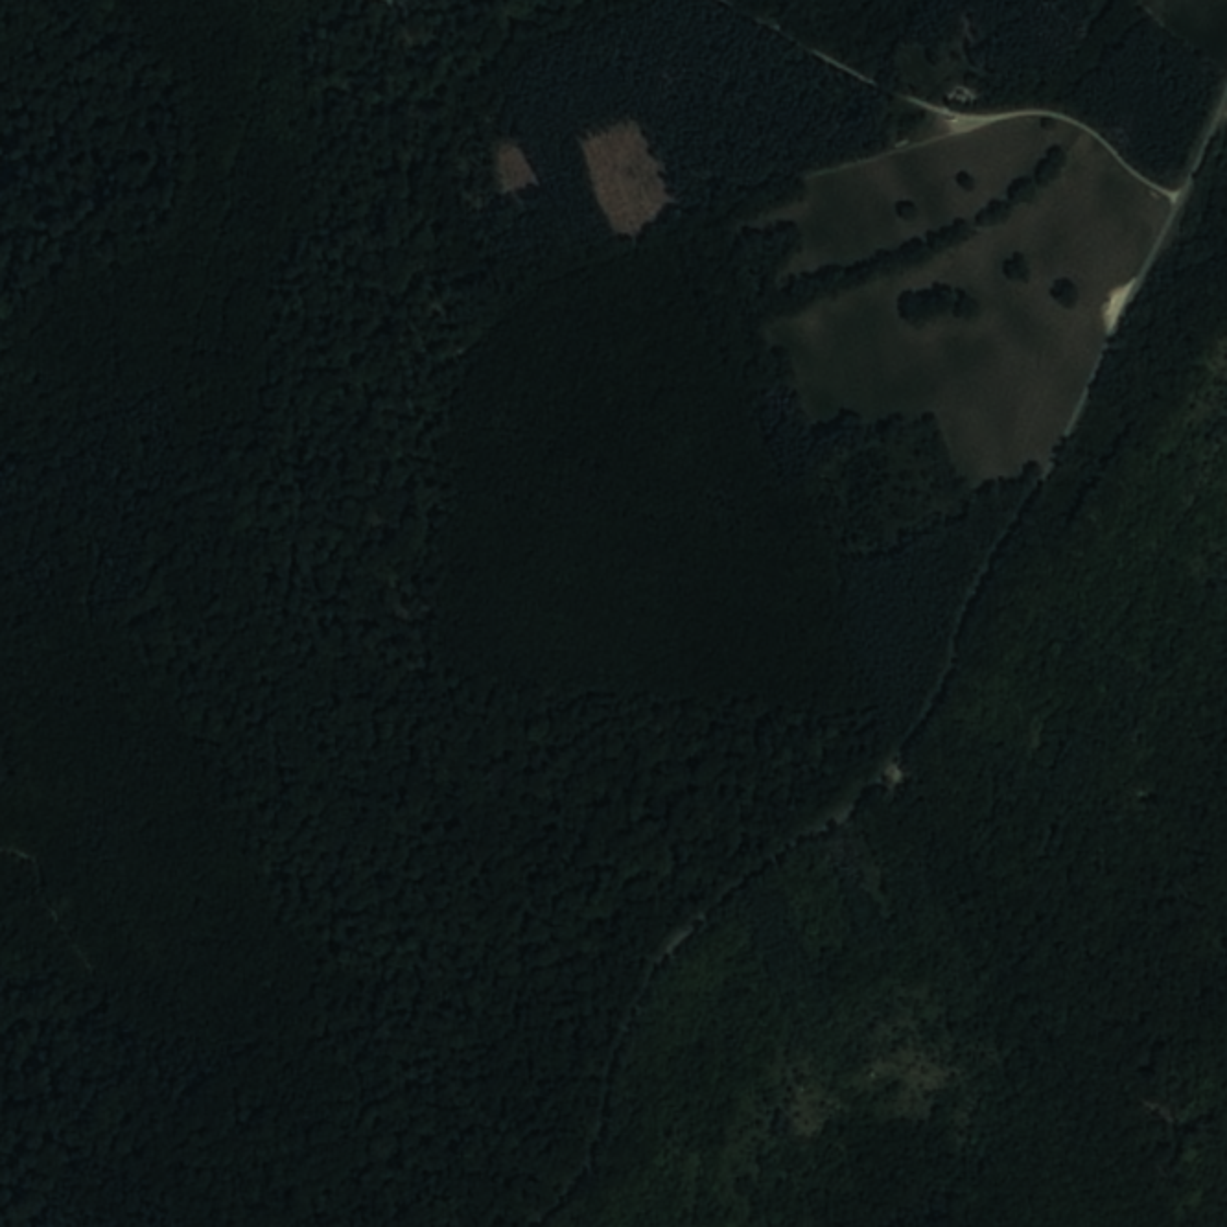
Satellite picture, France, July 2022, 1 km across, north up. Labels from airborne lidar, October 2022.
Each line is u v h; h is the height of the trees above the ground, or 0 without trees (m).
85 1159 28
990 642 17
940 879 23
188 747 21
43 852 12
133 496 19
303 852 22
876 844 14
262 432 19
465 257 11
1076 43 17
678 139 16
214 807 19
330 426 24
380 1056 22
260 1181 19
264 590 25
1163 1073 32
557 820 15
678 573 14
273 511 26
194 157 17
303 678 20
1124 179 0
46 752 13
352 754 25
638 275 15
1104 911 25
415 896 19
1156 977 31
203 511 30
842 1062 7
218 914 20
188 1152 29
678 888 23
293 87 13
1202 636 11
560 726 18
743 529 17
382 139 24
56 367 22
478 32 27
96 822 13
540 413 17
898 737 13
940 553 17
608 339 17
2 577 19
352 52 22
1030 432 0
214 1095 26
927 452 6
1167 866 22
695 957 14
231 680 22
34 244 33
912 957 16
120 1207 26
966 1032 10
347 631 24
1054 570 15
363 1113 22
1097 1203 14
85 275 20
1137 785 16
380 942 27
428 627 18
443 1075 16
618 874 22
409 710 16
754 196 20
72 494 29
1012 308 0
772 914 18
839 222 0
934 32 17
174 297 12
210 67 10
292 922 18
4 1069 22
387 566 28
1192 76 16
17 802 12
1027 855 19
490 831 24
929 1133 9
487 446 14
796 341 0
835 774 19
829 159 17
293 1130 22
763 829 21
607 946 15
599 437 17
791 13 18
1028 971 24
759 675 14
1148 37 15
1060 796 15
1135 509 8
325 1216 17
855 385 0
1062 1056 17
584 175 21
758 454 17
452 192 18
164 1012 20
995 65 19
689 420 17
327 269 22
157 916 15
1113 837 18
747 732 13
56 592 18
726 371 16
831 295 17
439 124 12
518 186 0
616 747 26
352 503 28
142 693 19
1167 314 14
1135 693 13
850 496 6
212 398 12
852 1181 16
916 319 22
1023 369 0
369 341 15
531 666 14
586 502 16
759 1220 11
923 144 0
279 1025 17
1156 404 16
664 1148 12
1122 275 0
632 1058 16
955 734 14
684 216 18
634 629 13
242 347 16
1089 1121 14
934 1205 19
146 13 11
